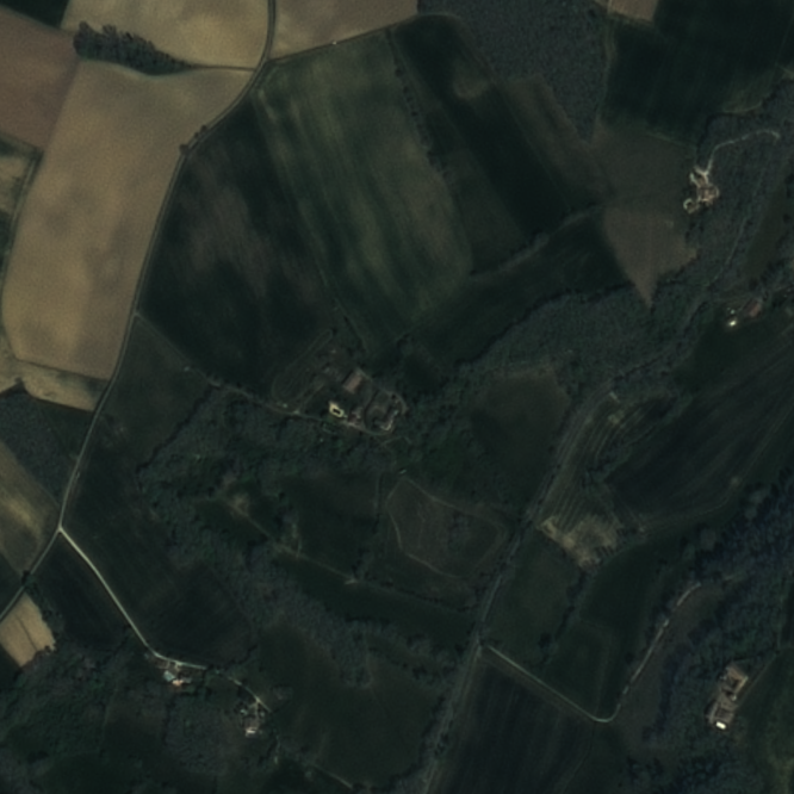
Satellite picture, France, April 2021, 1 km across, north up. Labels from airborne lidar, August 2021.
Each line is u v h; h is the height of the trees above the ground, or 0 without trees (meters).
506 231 0
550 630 0
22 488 0
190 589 0
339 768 0
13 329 0
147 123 0
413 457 15
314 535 0
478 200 0
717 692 16
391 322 0
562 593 0
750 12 0
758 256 0
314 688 0
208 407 15
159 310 0
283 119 0
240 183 0
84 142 0
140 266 0
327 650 15
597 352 29
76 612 0
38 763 21
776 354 0
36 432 16
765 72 0
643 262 0
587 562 0
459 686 18
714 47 0
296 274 0
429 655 7
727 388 0
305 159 0
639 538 17
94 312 0
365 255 0
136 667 0
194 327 0
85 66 0
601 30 21
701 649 22
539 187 0
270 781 0
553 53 21
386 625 13
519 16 22
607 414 0
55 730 8
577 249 0
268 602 14
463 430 11
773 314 9
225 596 0
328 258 0
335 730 0
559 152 0
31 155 0
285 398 0
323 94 0
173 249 0
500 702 0
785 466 0
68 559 0
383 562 0
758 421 0
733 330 0
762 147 21
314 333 0
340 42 0
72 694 22
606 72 19
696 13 0
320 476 17
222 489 17
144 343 0
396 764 0
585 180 0
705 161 13
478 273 9
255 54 0
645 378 22
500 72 16
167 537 0
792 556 21
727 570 25
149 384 0
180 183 0
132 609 0
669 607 15
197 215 0
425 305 0
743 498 0
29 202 0
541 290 0
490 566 0
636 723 0
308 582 0
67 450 0
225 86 0
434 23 0
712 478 0
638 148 0
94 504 0
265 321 0
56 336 0
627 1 0
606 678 0
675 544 0
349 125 0
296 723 0
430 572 0
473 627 6
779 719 0
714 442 0
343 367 0
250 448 6
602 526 0
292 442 22
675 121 0
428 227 0
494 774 0
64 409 0
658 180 0
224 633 0
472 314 0
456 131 0
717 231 16
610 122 0
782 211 0
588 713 0
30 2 0
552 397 0
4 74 0
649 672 0
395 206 0
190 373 0
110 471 0
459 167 0
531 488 0
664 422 13
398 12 0
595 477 16
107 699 11
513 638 0
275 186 0
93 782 0
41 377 0
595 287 0
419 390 6
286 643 0
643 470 0
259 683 0
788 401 0
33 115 0
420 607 0
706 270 17
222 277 0
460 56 0
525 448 0
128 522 0
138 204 0
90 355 0
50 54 0
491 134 0
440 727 18
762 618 19
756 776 15
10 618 0
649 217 0
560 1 24
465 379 16
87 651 9
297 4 0
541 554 0
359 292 0
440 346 0
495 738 0
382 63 0
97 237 0
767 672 0
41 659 16
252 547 12
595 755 0
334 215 0
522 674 0
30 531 0
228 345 0
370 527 0
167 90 0
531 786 0
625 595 0
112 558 0
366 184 0
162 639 0
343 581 0
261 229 0
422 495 0
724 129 20
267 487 22
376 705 0
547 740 0
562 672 0
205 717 23
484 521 0
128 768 0
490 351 13
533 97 0
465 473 0
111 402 0
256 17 0
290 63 0
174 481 6
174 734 23
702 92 0
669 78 0
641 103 0
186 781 0
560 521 0
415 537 0
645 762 0
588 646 0
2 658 0
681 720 21
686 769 14
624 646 0
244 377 0
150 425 0
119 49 18
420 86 0
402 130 0
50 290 0
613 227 0
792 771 0
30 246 0
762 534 18
